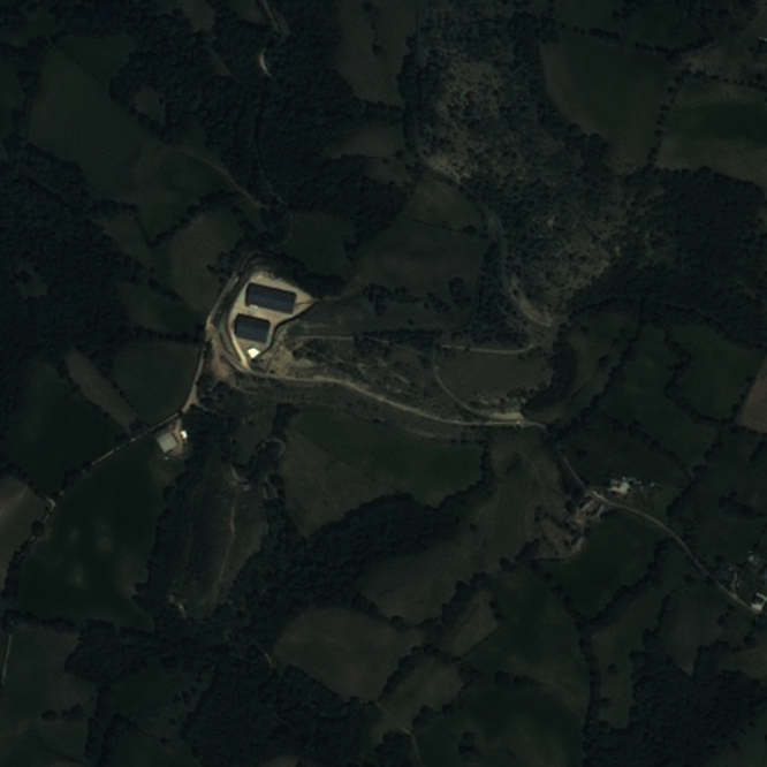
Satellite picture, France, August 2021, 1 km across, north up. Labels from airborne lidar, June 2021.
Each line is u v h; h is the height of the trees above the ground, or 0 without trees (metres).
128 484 0
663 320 12
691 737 24
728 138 0
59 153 0
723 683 16
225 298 0
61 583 0
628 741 19
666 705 23
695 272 10
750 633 6
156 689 0
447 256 0
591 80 0
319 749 26
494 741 0
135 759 0
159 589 20
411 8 0
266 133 18
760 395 0
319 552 14
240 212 16
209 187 0
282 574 23
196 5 0
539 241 7
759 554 8
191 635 24
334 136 11
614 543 0
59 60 0
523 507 0
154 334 12
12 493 0
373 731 0
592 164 11
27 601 0
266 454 15
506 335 7
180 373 0
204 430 8
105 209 13
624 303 17
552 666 0
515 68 10
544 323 0
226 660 30
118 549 0
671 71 0
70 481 13
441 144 7
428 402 0
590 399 0
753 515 16
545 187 7
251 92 19
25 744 0
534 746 0
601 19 0
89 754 12
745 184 13
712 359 0
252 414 0
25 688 0
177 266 0
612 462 0
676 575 0
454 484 0
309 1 16
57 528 0
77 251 23
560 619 0
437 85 14
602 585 0
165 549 22
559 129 12
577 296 10
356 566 20
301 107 20
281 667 0
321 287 21
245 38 19
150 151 0
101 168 0
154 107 0
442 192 0
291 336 0
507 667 0
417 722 12
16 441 0
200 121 19
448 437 0
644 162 0
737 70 0
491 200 11
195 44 19
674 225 13
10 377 16
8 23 27
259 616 21
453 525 11
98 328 29
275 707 13
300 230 0
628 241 8
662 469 0
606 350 0
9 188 21
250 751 22
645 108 0
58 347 19
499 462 0
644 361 0
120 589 0
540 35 13
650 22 0
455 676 0
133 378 0
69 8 28
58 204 22
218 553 0
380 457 0
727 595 0
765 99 0
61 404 0
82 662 11
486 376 0
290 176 19
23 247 20
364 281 0
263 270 0
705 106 0
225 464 15
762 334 13
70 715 9
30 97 17
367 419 0
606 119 0
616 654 0
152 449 0
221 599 0
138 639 19
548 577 10
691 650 0
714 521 0
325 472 0
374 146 0
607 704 15
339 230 0
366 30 0
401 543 21
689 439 0
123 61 0
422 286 0
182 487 17
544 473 0
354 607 12
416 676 0
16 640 0
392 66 0
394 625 9
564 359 14
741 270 17
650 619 0
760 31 0
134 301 0
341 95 23
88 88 0
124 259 8
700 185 18
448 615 14
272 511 25
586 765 12
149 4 19
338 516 0
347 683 0
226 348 0
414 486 0
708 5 14
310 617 0
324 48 21
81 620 0
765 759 0
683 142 0
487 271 9
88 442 0
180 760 0
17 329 20
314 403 0
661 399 0
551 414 0
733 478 0
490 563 0
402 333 9
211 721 16
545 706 0
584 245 0
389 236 0
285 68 16
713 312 14
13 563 9
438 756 0
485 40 10
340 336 0
